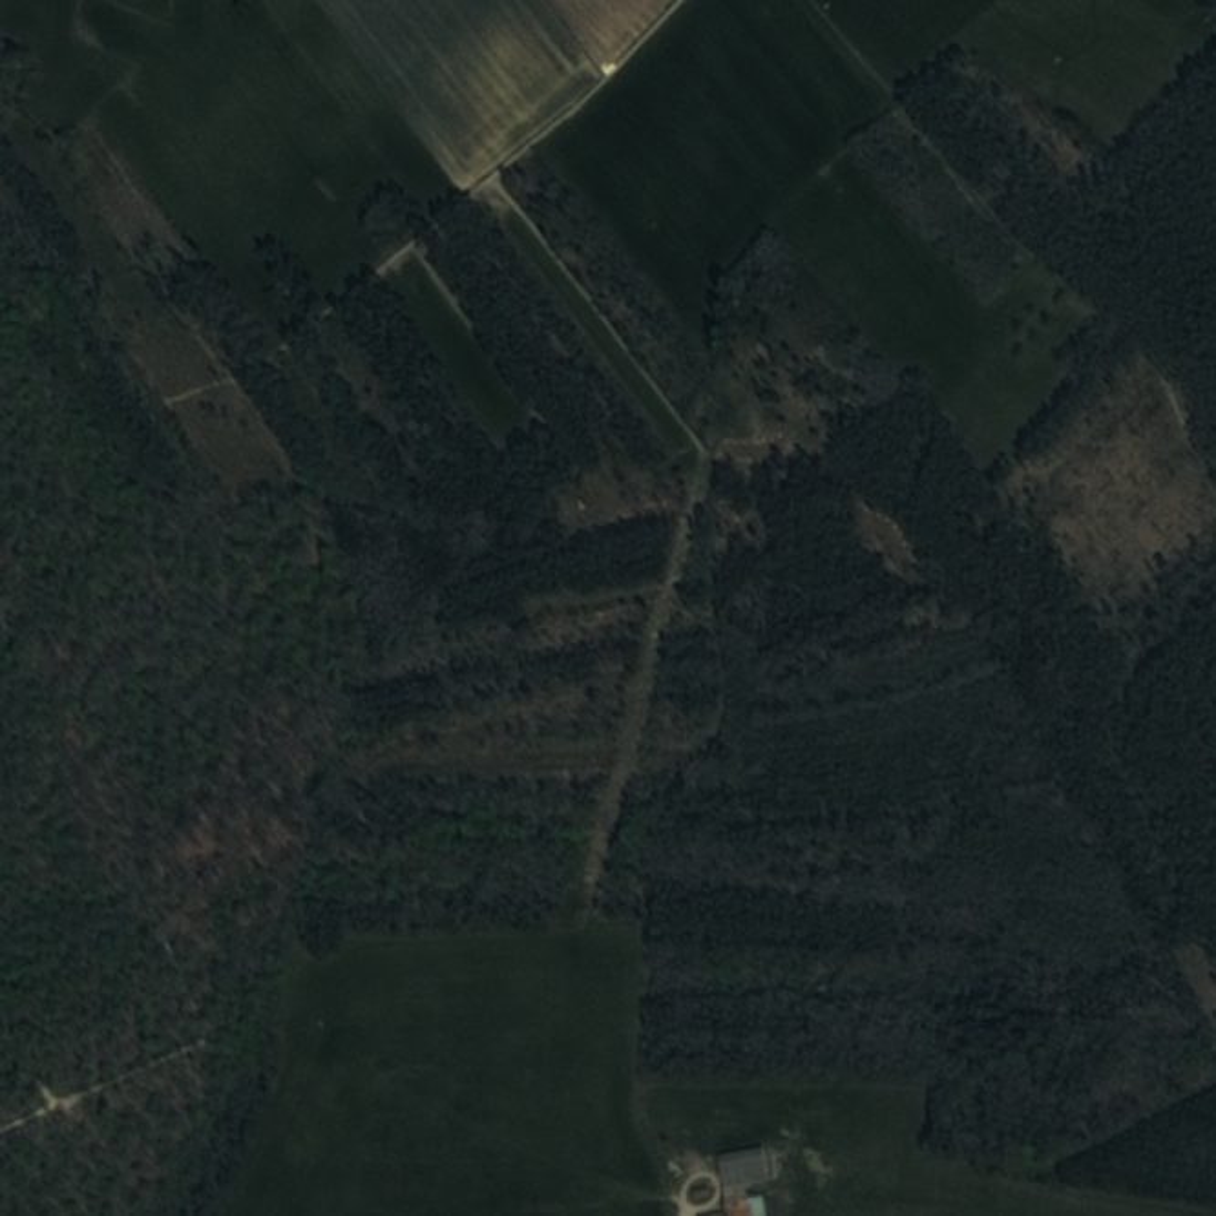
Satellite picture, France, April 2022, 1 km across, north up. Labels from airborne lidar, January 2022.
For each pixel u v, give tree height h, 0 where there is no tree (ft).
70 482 74
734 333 70
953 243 50
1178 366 87
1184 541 0
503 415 0
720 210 0
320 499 80
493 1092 0
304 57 0
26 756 72
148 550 83
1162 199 99
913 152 50
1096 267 83
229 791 88
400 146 0
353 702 78
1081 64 0
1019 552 69
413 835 93
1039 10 0
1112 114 0
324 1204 0
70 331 23
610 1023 0
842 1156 0
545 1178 0
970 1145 78
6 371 73
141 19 0
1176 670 90
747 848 86
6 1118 68
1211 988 0
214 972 68
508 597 75
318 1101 0
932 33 0
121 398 50
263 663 66
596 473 93
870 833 80
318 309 79
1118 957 40
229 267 0
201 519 92
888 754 31
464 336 0
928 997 47
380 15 0
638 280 64
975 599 76
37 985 68
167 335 0
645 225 0
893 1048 76
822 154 0
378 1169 0
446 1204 0
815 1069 77
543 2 0
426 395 60
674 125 0
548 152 0
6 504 81
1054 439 71
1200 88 83
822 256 0
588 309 0
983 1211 0
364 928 74
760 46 0
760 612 37
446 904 58
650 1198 0
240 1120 50
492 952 0
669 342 71
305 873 80
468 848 91
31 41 0
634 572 73
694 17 0
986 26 0
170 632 78
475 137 0
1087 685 58
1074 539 0
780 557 65
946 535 71
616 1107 0
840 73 0
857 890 75
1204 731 81
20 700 63
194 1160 66
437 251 77
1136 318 84
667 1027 68
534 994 0
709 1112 0
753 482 50
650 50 0
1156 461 0
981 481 80
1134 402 0
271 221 0
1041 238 73
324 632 79
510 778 0
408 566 53
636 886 58
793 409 0
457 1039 0
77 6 0
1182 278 92
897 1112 0
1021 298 0
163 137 0
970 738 25
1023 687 45
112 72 0
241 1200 0
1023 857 53
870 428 52
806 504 73
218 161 0
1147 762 74
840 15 0
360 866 82
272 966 65
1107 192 81
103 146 0
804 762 26
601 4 0
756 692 29
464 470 33
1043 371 0
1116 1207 0
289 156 0
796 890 76
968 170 84
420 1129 0
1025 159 85
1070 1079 98
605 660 73
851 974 58
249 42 0
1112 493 0
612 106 0
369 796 83
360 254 0
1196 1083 75
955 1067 64
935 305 0
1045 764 48
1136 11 0
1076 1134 87
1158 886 19
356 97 0
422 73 0
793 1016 82
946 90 83
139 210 0
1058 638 46
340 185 0
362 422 87
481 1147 0
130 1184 76
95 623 84
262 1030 66
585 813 55
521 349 81
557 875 69
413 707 81
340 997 0
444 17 0
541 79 0
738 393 0
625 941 0
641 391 0
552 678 67
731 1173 0
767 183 0
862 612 66
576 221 69
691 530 0
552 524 51
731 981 51
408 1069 0
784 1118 0
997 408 0
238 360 72
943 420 68
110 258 0
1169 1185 42
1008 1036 78
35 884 67
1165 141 84
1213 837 91
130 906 65
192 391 0
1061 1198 0
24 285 82
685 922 85
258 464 0
